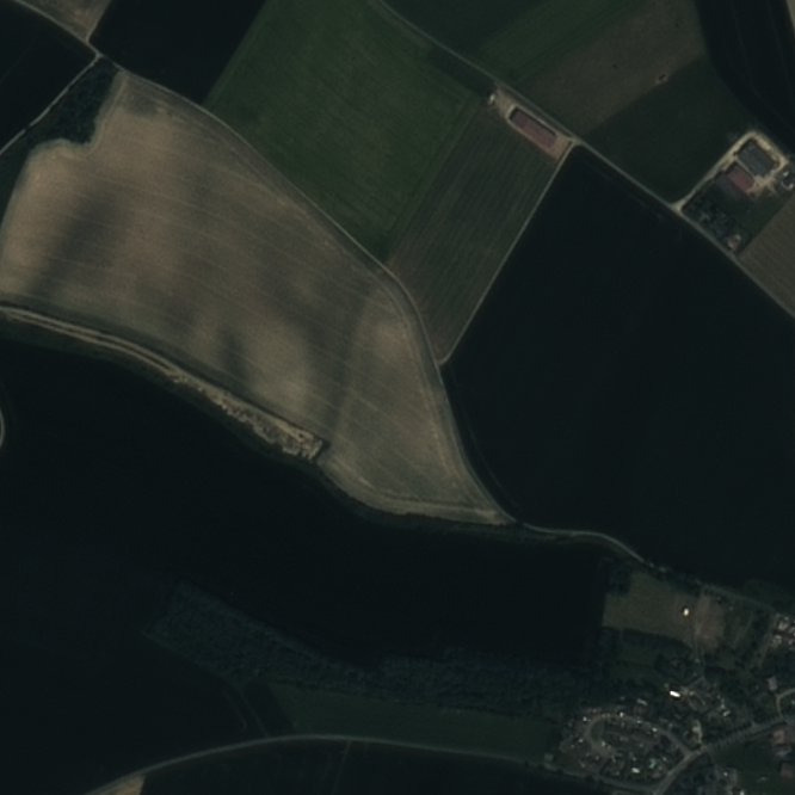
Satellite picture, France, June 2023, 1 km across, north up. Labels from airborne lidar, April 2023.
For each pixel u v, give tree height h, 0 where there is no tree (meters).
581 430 0
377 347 0
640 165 0
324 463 0
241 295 0
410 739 0
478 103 0
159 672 0
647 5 0
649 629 0
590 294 0
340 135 0
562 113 0
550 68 0
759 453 0
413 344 0
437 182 0
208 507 0
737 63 0
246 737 0
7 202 0
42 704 0
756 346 0
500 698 16
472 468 0
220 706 0
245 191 0
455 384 0
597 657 19
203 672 0
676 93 0
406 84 0
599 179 0
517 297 0
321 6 0
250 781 0
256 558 0
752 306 0
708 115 0
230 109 0
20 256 0
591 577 0
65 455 0
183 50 0
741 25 0
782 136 0
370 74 0
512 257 0
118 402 0
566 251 0
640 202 0
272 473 0
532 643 0
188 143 0
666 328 0
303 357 0
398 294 0
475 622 0
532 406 0
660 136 0
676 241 0
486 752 0
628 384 0
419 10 0
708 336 0
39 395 0
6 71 0
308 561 0
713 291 0
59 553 0
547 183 0
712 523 0
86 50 0
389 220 0
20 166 0
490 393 0
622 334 0
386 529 0
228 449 0
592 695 18
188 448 0
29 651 0
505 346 0
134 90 0
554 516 0
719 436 0
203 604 15
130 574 0
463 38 0
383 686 13
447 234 0
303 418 0
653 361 0
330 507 0
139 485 0
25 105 0
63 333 0
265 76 0
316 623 0
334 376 0
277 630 14
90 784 0
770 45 0
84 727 0
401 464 0
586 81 0
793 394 0
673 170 0
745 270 0
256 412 0
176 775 0
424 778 0
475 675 33
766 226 0
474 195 0
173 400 0
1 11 0
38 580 0
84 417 0
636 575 0
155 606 0
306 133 0
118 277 0
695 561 0
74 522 0
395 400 0
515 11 0
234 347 0
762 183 0
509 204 0
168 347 0
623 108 0
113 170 0
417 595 0
